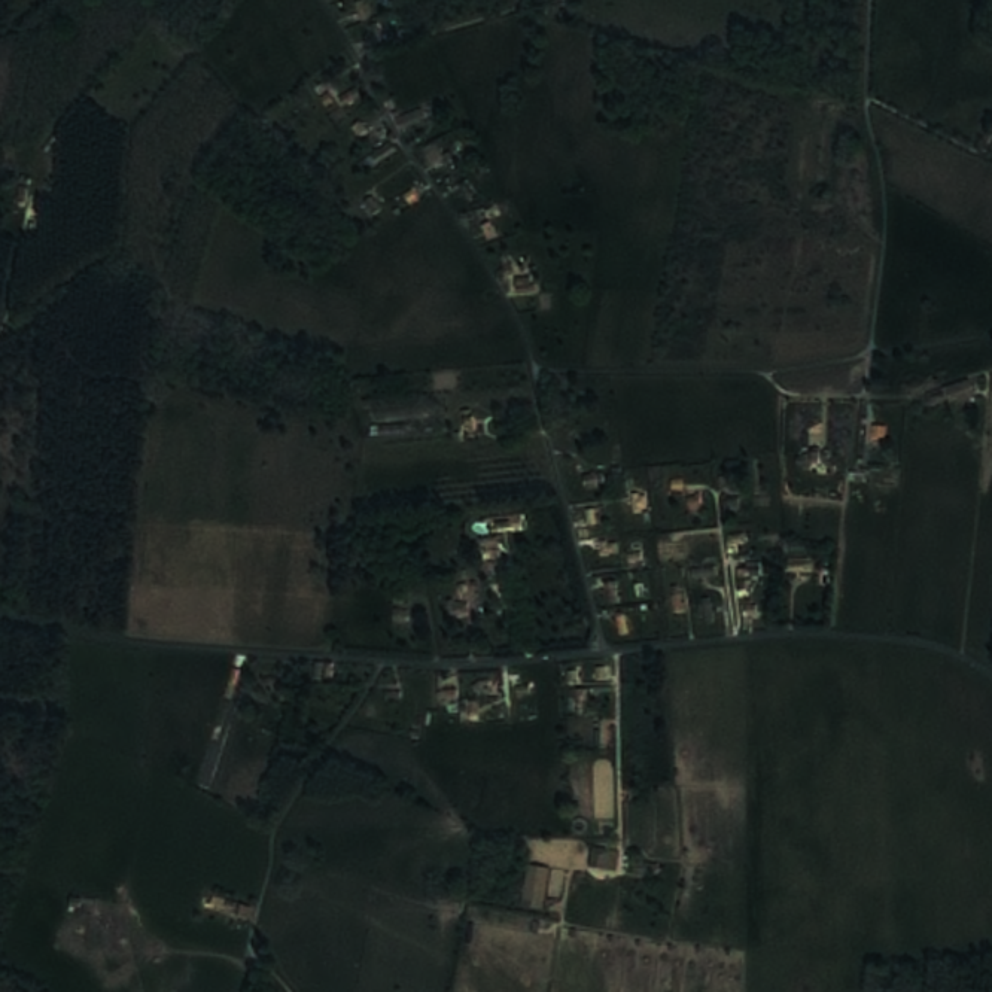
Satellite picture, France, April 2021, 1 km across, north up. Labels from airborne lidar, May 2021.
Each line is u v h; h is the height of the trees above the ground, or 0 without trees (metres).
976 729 0
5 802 20
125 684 0
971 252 0
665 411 0
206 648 0
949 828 0
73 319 11
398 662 0
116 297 14
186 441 0
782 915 0
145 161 13
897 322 0
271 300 0
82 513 16
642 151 0
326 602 0
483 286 0
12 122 10
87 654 0
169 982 0
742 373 0
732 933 0
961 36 0
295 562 0
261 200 15
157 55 0
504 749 0
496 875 21
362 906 0
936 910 0
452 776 0
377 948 0
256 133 15
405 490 0
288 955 0
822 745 0
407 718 0
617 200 0
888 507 0
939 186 0
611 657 0
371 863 0
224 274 0
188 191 9
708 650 0
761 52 22
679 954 0
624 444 0
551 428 14
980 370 0
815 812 0
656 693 9
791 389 0
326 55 0
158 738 0
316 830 0
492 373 0
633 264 0
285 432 14
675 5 0
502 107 9
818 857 0
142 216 12
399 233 0
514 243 0
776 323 0
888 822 0
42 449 13
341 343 0
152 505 0
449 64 0
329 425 12
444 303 0
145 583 0
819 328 6
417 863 0
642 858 12
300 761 19
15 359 7
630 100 20
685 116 17
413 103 0
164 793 0
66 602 16
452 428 12
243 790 0
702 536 0
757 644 0
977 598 0
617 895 0
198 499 0
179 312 13
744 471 12
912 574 0
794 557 0
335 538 12
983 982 16
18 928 0
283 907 0
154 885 0
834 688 0
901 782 0
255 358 19
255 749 0
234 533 0
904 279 0
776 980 0
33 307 15
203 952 0
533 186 0
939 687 0
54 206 15
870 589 0
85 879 0
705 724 0
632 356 0
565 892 0
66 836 0
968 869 0
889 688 0
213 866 0
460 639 14
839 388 0
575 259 0
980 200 0
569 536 7
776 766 0
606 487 9
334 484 0
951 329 0
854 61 17
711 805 0
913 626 0
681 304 7
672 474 0
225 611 0
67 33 20
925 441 0
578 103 0
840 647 0
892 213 0
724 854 0
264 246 0
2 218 14
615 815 0
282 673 13
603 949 0
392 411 16
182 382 18
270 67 0
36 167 0
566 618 16
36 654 16
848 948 0
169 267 12
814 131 0
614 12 0
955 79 0
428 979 0
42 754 13
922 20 0
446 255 0
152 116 11
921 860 0
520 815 0
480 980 0
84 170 16
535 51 15
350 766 21
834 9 17
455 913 0
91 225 16
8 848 12
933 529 0
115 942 0
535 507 24
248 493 0
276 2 0
